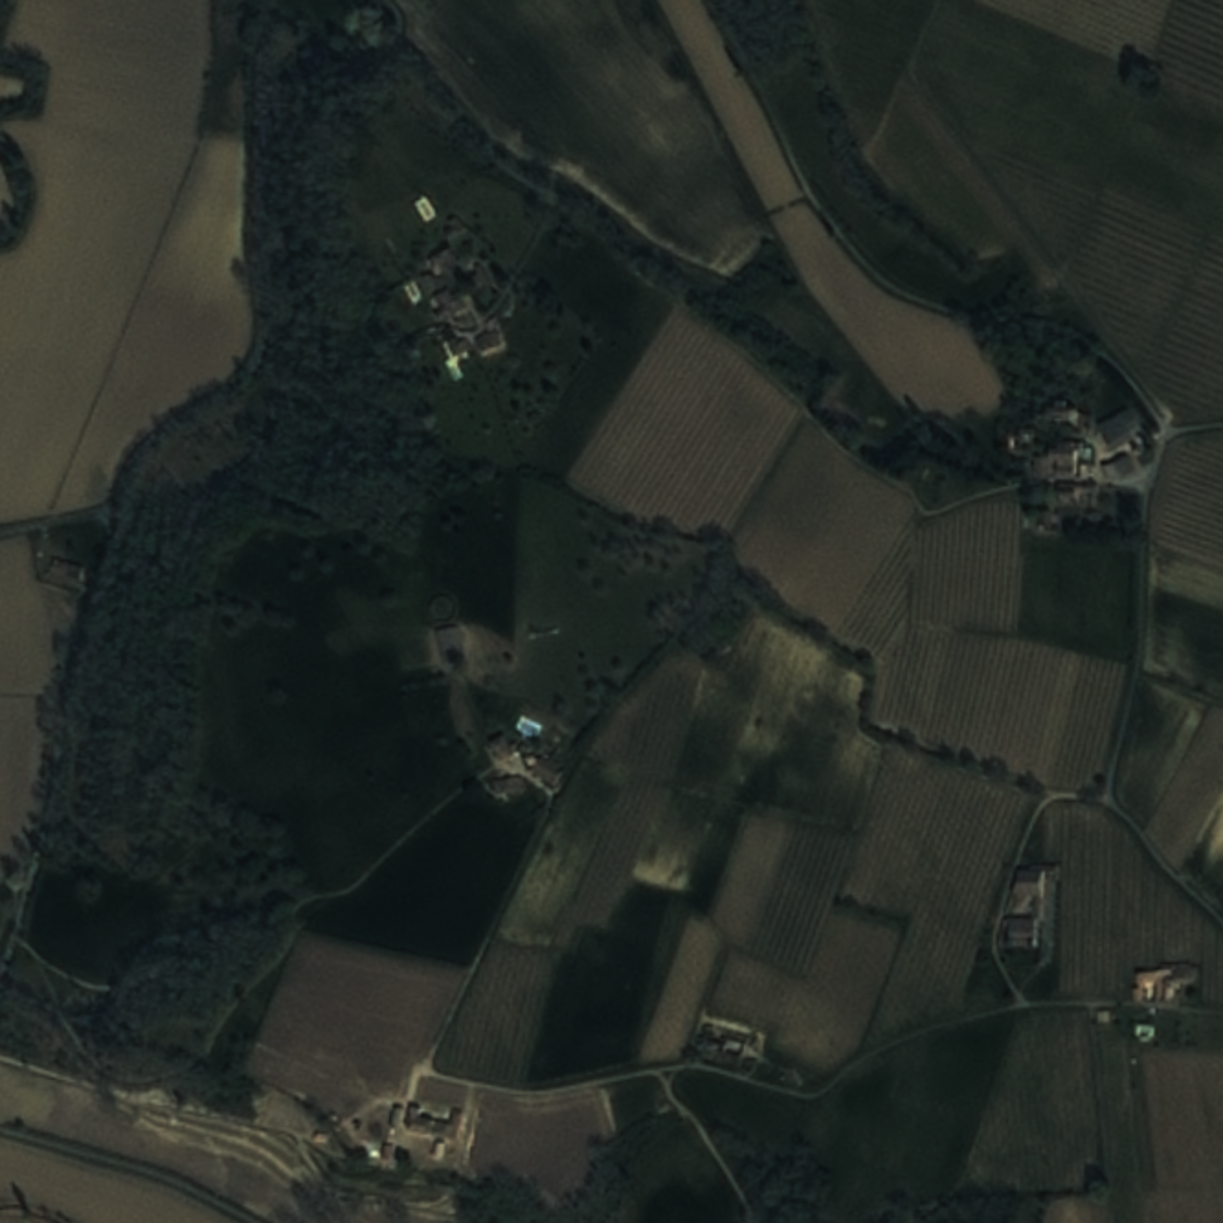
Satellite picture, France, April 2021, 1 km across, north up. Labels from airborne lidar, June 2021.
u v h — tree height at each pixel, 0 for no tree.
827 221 0
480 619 0
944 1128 0
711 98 0
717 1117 0
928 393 0
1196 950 0
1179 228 0
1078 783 0
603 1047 0
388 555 9
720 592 20
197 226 0
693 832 0
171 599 22
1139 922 0
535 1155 0
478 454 0
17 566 0
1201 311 0
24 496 0
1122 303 0
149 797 14
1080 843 0
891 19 0
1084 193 0
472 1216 27
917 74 0
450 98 18
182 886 13
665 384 0
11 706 0
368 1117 0
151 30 0
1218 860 0
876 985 0
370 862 0
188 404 0
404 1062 0
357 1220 20
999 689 0
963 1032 0
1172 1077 0
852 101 0
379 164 0
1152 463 0
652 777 0
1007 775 18
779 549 0
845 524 0
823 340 0
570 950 0
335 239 22
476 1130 0
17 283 0
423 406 13
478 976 0
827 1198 11
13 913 18
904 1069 0
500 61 0
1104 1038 0
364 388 17
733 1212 0
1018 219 0
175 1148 0
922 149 0
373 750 0
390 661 0
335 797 0
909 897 0
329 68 26
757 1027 0
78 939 0
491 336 0
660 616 12
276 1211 0
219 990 13
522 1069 0
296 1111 0
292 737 0
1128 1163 0
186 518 18
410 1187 0
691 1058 14
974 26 0
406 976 0
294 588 0
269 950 22
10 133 0
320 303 21
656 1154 0
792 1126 0
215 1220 0
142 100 0
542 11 0
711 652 11
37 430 0
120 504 17
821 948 0
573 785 0
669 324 0
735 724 0
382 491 20
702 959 0
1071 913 0
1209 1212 0
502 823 0
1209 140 0
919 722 0
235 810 18
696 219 0
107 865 12
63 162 0
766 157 0
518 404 7
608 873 0
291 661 0
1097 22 0
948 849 0
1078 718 0
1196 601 0
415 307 7
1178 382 0
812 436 0
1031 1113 0
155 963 20
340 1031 0
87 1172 0
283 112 23
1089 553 0
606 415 0
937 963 0
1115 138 0
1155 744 0
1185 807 0
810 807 0
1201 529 0
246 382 15
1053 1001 0
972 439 10
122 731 26
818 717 0
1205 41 0
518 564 0
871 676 11
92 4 0
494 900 0
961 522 0
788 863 0
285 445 20
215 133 0
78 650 11
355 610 0
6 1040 6
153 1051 13
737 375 0
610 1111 0
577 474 0
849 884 0
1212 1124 0
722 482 0
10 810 0
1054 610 0
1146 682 0
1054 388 21
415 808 0
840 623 0
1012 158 0
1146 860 0
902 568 0
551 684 0
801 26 25
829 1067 0
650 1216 0
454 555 0
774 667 0
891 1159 0
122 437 0
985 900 0
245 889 14
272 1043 0
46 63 19
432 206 0
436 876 0
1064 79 0
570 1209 17
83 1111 0
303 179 22
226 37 0
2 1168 0
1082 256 0
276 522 16
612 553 11
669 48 0
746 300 9
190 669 11
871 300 0
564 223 10
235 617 10
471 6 0
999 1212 20
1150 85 14
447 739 6
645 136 0
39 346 0
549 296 18
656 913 0
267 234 20
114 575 23
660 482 0
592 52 0
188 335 0
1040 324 13
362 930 0
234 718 0
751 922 0
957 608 0
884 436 0
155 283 0
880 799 0
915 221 19
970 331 16
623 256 14
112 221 0
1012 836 0
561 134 0
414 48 14
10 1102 0
